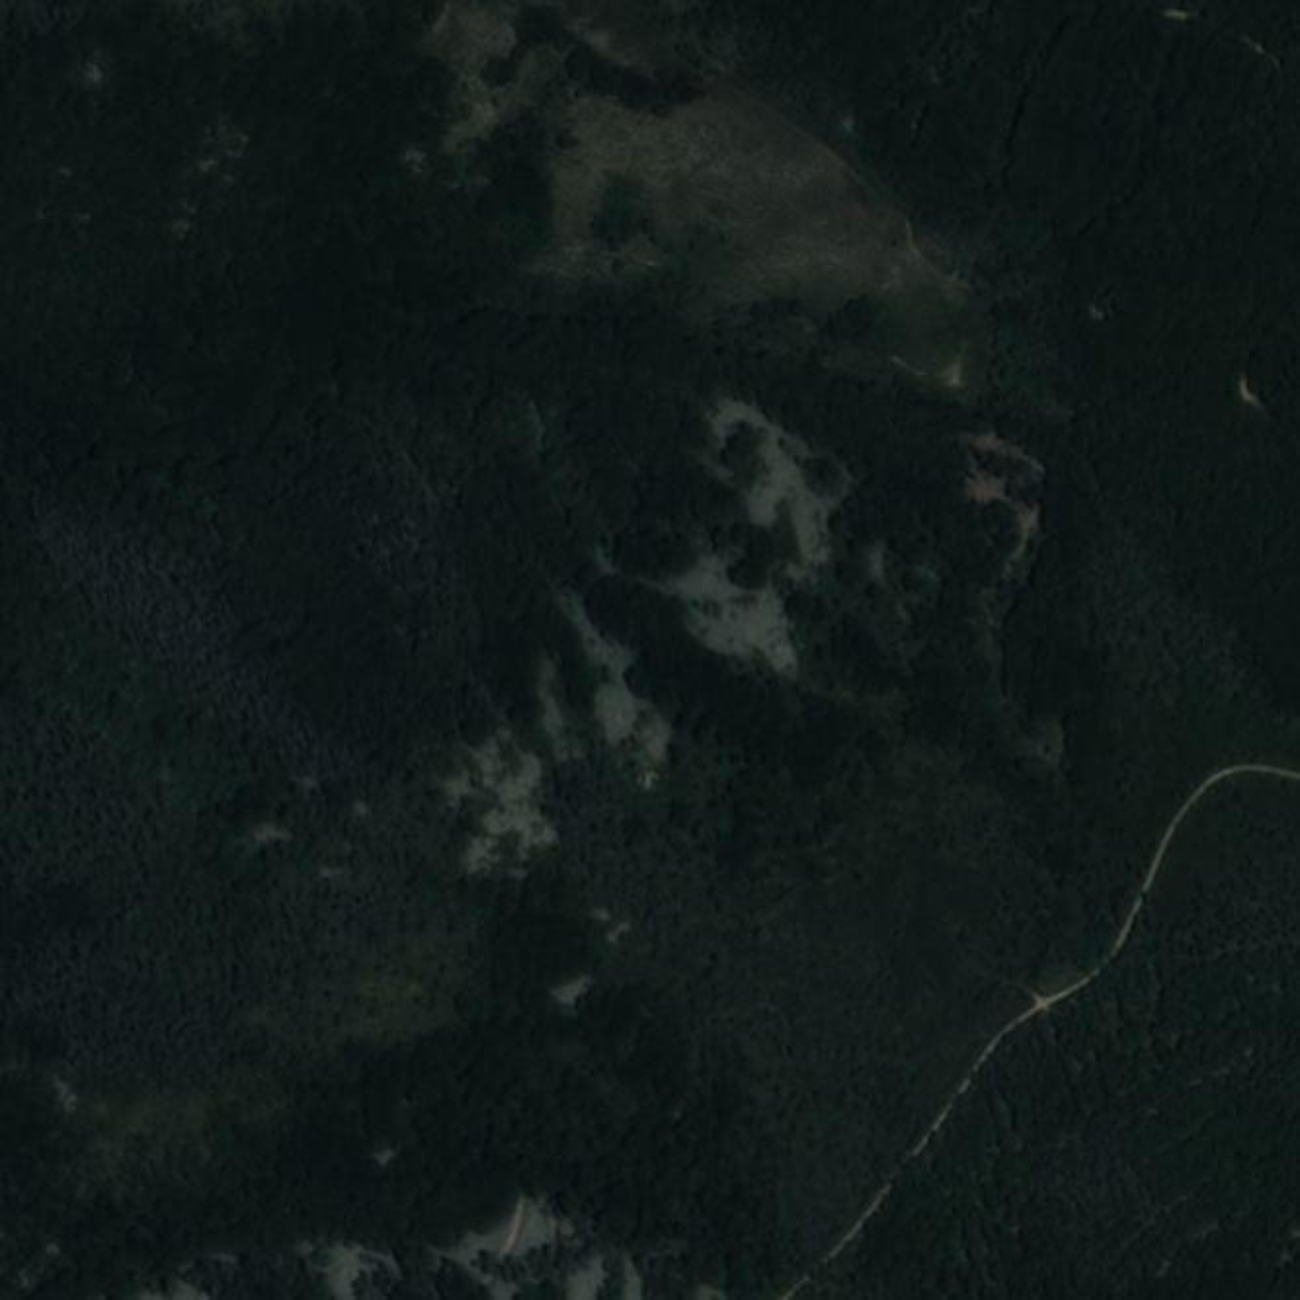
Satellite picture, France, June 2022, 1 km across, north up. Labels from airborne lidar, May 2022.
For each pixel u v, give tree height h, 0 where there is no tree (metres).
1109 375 19
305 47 16
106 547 7
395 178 13
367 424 9
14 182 16
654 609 17
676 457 17
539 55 0
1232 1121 13
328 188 30
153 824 9
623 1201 20
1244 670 9
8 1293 12
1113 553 6
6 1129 16
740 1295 9
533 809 0
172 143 17
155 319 22
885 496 12
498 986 11
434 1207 17
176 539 21
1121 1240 11
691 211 0
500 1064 17
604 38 0
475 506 12
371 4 12
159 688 11
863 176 0
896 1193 9
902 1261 14
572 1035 12
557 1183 21
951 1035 0
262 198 17
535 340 18
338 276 23
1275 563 17
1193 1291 9
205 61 16
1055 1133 11
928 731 9
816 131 0
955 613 15
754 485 0
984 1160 14
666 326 8
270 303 23
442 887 8
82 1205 8
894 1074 8
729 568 0
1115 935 8
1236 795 5
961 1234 7
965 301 0
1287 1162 12
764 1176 9
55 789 6
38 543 16
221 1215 17
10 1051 7
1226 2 13
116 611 14
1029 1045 12
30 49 11
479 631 14
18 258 17
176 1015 6
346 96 18
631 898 8
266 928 9
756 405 9
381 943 6
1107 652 9
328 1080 7
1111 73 19
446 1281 15
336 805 12
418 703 11
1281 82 17
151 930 9
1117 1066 13
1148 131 11
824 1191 0
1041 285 7
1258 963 12
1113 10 19
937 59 21
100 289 15
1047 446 10
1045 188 16
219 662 12
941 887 0
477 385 16
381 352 21
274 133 20
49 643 13
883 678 11
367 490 17
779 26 17
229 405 20
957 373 0
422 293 19
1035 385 8
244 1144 12
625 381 10
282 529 19
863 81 17
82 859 14
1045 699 13
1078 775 11
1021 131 16
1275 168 17
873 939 0
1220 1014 9
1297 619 17
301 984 10
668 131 0
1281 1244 14
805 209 0
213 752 9
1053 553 13
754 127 0
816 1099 7
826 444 14
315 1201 20
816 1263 7
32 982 12
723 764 10
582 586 16
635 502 10
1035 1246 7
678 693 15
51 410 21
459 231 7
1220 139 17
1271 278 13
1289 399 22
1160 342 12
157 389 21
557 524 7
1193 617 7
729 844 10
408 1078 17
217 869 9
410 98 17
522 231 8
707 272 0
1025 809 11
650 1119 10
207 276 19
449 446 11
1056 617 13
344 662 17
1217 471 20
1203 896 7
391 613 18
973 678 12
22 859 9
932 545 15
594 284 7
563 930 12
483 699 7
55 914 17
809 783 9
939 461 17
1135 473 18
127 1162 7
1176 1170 10
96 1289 19
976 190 6
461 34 0
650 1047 12
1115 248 19
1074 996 8
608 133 0
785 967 0
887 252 0
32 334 19
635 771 6
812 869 7
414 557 14
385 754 13
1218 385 15
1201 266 13
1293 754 0
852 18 21
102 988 11
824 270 0
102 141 12
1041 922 10
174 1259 14
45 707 13
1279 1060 9
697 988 6
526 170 20
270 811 9
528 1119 11
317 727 12
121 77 13
